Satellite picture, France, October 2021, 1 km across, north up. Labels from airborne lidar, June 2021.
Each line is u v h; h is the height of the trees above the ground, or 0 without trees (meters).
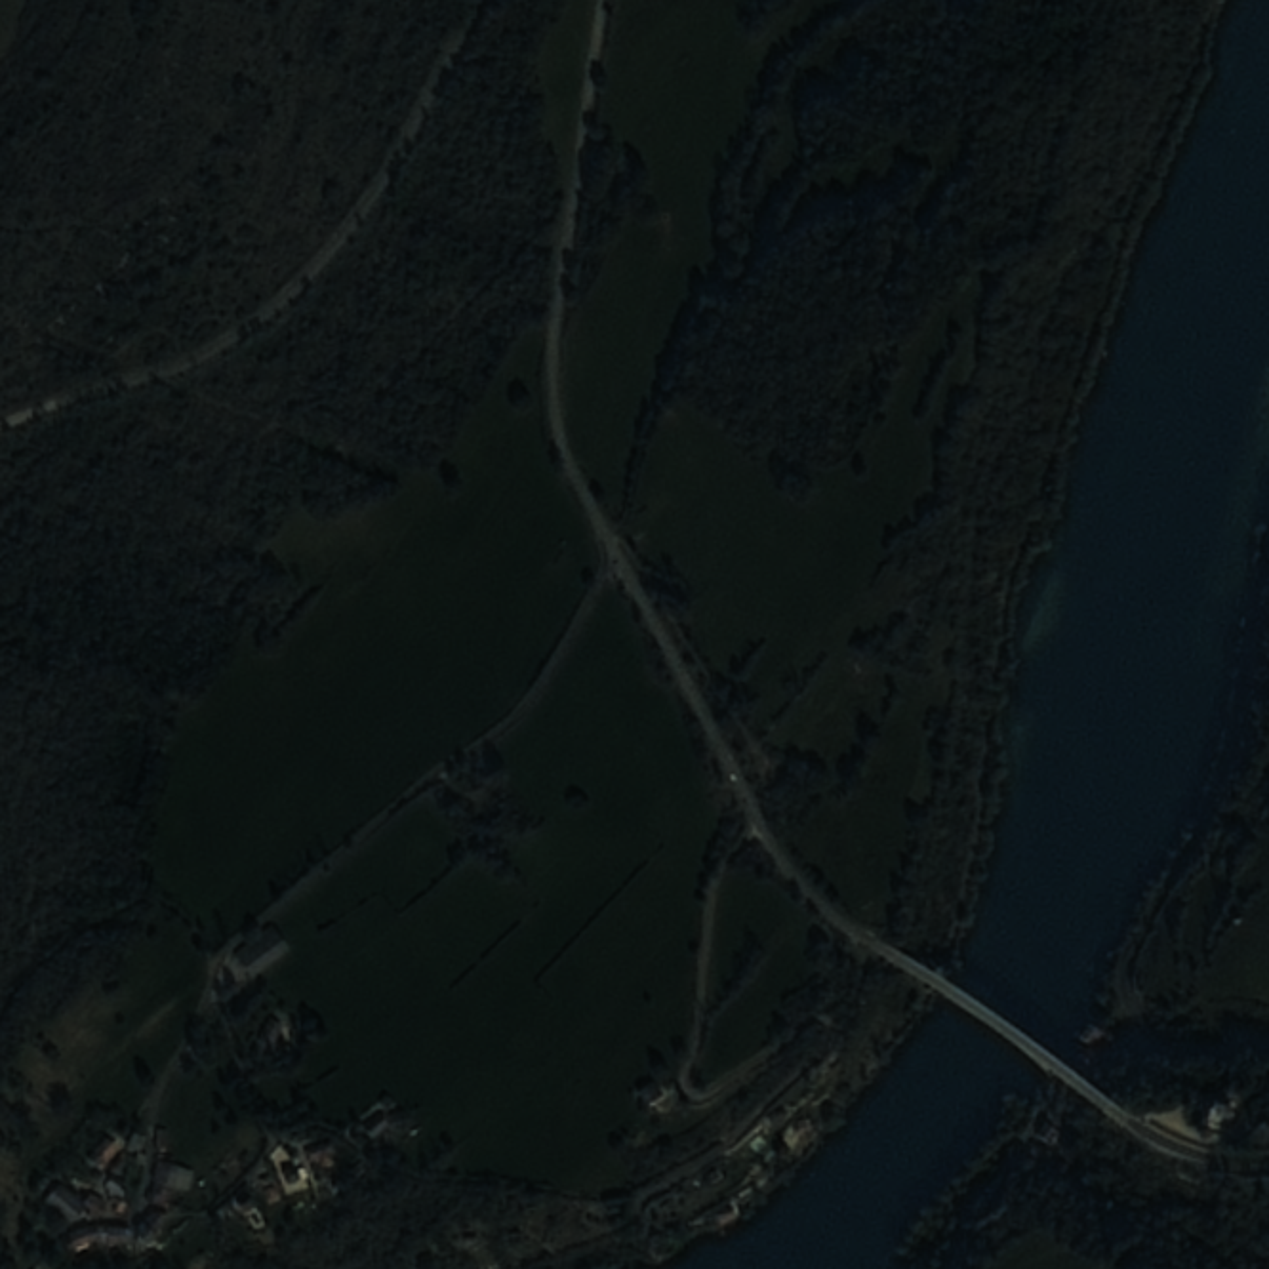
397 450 16
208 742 0
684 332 11
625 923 0
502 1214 7
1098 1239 18
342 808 0
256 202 0
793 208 7
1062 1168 16
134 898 15
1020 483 19
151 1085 16
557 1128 0
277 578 21
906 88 23
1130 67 10
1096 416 0
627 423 0
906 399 0
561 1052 0
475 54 12
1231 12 0
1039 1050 0
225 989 9
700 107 0
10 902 11
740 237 15
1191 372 0
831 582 0
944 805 11
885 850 0
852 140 24
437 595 0
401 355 9
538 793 0
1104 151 11
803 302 22
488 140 9
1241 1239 13
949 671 7
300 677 0
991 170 17
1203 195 0
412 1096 0
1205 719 0
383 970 0
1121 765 0
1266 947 0
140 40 8
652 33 0
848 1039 9
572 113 0
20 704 12
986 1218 24
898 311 18
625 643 0
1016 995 0
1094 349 11
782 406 19
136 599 24
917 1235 7
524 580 0
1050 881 0
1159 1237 26
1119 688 0
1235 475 0
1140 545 0
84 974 18
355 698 0
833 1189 0
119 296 17
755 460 10
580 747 0
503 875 16
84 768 14
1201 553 0
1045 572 0
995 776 12
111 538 17
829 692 0
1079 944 0
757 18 19
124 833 17
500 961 0
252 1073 8
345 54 7
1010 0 21
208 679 19
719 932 0
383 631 0
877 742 20
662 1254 9
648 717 0
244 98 10
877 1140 0
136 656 19
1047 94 14
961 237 22
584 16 0
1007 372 13
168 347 7
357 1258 12
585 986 0
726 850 10
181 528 7
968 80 24
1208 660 0
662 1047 0
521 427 0
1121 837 0
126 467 10
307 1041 9
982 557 9
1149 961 0
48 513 9
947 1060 0
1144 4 9
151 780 17
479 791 11
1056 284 8
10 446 9
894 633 10
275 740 0
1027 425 10
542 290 14
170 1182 0
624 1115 0
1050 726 0
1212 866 11
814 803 14
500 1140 0
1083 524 0
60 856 14
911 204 12
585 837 0
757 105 14
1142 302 0
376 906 0
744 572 0
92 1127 6
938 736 7
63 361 8
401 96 5
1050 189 16
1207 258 0
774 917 0
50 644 24
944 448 13
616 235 16
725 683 9
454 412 18
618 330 0
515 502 0
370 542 0
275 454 8
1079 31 20
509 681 0
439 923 0
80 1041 0
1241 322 0
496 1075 0
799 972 0
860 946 0
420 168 8
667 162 0
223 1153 0
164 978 0
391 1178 17
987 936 0
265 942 0
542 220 7
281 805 0
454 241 9
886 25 20
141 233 9
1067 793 0
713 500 0
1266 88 0
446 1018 0
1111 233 18
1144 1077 18
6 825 9
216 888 0
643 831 0
